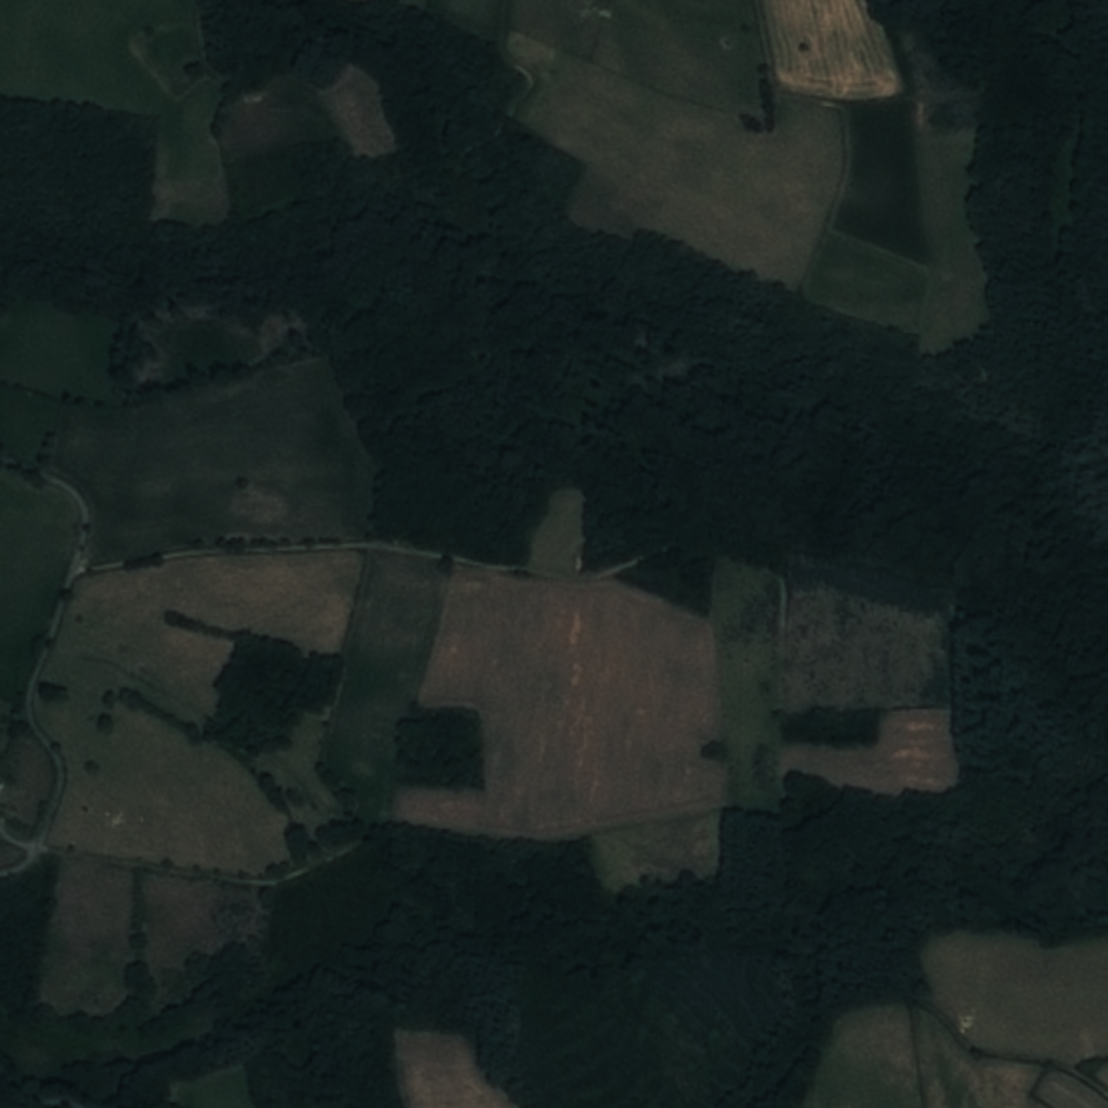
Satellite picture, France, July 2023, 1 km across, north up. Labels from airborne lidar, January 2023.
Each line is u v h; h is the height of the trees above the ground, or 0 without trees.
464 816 0
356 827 17
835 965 24
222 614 0
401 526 14
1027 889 30
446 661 0
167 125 0
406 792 0
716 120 0
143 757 0
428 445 18
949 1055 0
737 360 14
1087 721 15
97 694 0
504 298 8
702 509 26
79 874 0
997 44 7
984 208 21
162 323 23
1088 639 19
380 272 21
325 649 0
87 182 20
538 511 16
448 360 19
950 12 8
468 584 0
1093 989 0
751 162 0
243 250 16
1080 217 20
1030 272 11
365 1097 21
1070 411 19
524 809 0
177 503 0
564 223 13
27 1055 0
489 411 10
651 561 7
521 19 0
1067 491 16
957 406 14
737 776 0
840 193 0
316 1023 22
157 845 0
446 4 0
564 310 27
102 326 0
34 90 0
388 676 0
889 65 0
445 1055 0
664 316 20
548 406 8
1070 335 14
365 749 0
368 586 0
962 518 22
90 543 0
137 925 9
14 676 0
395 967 27
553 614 0
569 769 0
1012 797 19
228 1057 22
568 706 0
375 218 25
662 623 0
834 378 17
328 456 0
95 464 0
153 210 19
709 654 0
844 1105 0
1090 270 20
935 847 16
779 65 0
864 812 24
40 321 0
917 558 20
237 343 0
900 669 0
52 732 0
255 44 20
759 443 24
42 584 0
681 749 0
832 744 8
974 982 0
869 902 28
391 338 19
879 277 0
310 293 19
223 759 0
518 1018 21
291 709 11
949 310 0
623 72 0
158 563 11
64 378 0
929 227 0
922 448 12
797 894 21
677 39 0
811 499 25
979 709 29
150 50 0
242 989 25
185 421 0
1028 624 24
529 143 10
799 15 0
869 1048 0
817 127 0
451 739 11
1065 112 7
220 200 0
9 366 0
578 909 20
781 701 0
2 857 0
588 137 0
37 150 20
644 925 19
